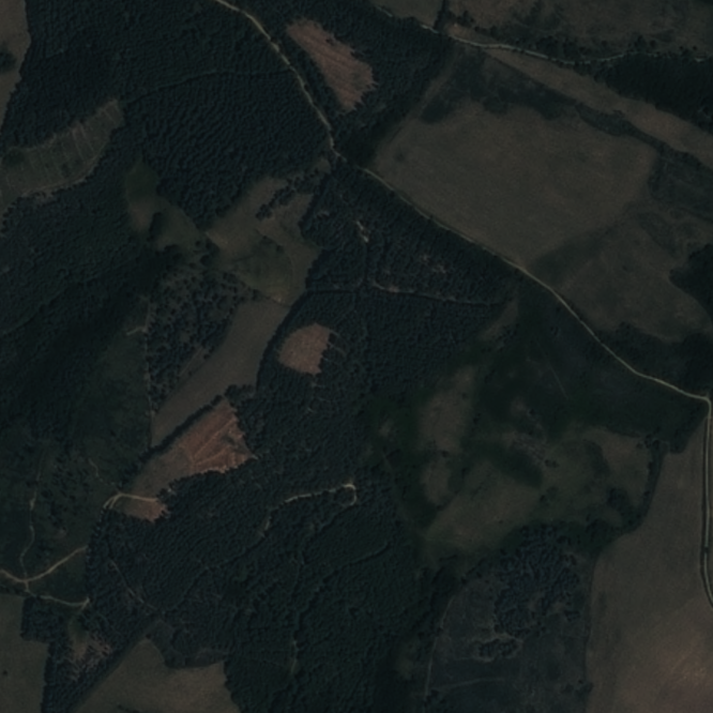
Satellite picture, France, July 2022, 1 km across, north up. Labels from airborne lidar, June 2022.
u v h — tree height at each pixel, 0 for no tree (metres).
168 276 10
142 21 22
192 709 0
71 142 0
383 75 20
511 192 0
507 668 0
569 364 0
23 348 21
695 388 9
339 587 27
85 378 13
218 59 19
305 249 0
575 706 0
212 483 18
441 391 0
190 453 0
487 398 0
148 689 0
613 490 8
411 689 12
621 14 0
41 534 0
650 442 7
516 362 0
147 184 0
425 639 10
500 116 0
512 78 0
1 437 12
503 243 0
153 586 15
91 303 24
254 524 18
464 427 0
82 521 0
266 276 0
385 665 22
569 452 0
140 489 0
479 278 24
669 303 0
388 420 0
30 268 17
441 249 23
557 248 0
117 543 15
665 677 0
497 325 0
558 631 0
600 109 0
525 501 0
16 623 0
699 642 0
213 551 18
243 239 0
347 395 20
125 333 0
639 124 0
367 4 13
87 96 23
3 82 0
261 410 19
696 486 0
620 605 0
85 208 19
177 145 31
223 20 18
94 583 23
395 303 26
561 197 0
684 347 6
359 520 17
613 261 0
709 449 0
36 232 23
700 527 0
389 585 18
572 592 16
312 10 24
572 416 0
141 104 31
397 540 20
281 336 22
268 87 31
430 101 0
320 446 21
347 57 0
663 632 0
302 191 14
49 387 20
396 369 18
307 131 32
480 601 0
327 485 11
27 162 0
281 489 19
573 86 0
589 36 0
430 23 0
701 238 0
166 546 21
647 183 0
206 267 11
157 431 0
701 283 9
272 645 17
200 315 12
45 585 0
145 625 19
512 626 15
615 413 0
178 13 22
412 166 0
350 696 19
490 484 0
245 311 0
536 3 0
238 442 0
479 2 0
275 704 14
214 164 30
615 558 0
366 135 17
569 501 0
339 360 21
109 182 19
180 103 21
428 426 0
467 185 0
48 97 15
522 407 0
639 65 13
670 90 13
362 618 29
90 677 27
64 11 23
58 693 25
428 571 11
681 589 0
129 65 20
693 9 0
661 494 0
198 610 21
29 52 12
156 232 16
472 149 0
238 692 22
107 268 17
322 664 20
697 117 7
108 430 0
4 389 21
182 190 16
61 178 0
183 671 0
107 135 0
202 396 0
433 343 22
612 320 0
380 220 16
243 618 25
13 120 16
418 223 21
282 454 18
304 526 23
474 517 0
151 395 13
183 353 11
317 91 23
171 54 19
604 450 0
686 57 13
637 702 0
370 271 24
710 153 0
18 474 0
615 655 0
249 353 0
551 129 0
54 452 0
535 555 14
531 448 0
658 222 0
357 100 0
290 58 18
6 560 0
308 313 21
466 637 0
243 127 28
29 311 23
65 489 10
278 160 29
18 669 0
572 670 0
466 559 0
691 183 0
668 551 0
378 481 22
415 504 0
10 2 0
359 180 22
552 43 9
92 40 21
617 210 0
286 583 18
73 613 0
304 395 16
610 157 0
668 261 0
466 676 0
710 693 0
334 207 26
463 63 0
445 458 8
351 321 25
